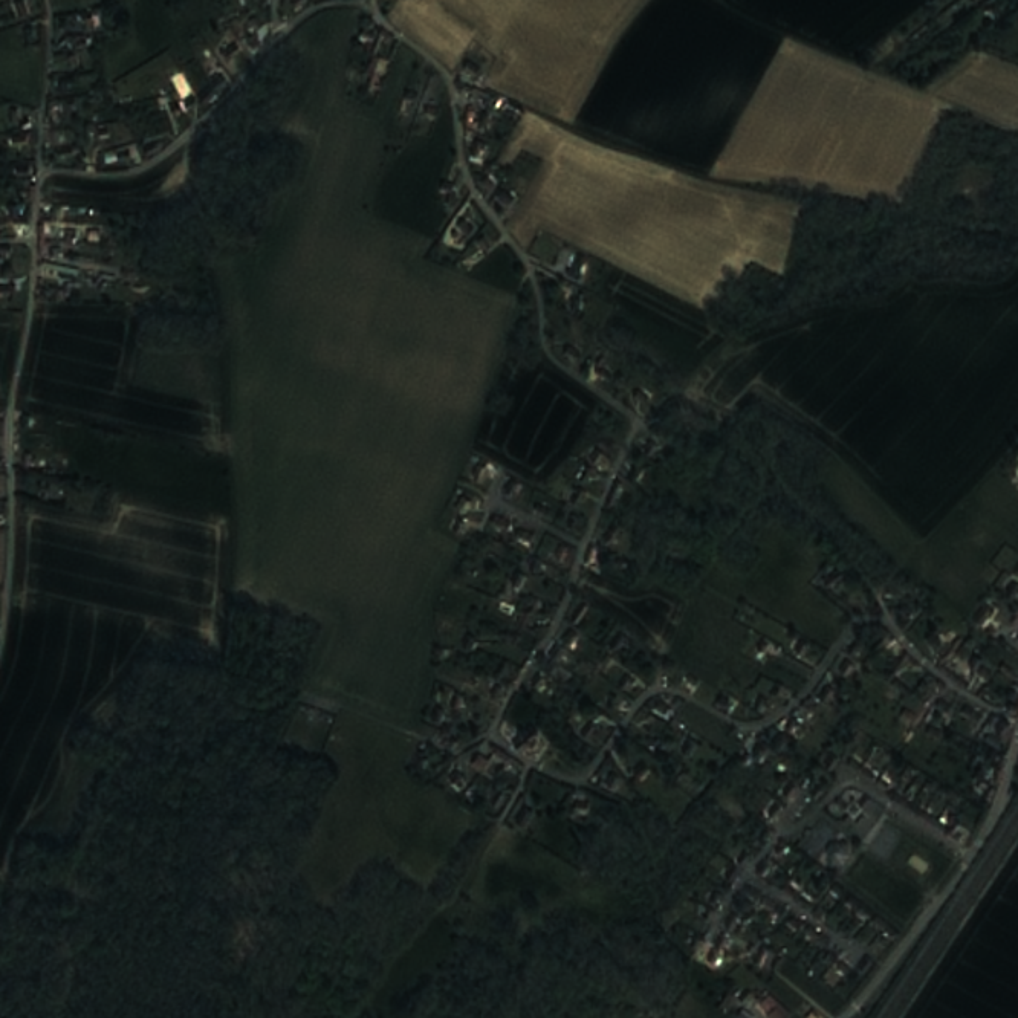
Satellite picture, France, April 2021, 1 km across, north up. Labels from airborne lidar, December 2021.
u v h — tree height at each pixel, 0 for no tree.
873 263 21
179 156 0
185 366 0
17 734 0
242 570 0
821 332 0
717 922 0
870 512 0
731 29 0
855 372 0
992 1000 0
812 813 0
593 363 7
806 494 22
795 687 0
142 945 22
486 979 27
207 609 0
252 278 0
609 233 0
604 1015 23
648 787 0
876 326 0
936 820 0
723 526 29
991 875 0
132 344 0
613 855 27
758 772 6
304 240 0
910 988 0
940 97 0
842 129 0
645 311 0
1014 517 0
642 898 12
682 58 0
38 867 26
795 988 0
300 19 0
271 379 0
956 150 15
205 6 0
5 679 0
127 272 7
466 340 0
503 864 0
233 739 33
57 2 0
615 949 18
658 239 0
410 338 0
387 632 0
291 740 0
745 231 0
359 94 6
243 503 0
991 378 0
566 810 11
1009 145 12
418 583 0
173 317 23
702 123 0
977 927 0
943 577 0
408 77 0
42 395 0
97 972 26
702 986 7
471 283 0
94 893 8
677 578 20
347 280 0
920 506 0
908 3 0
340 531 0
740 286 26
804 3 0
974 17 7
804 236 20
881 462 0
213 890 15
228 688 33
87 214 6
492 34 0
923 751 0
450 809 0
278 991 28
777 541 0
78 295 14
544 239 0
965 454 0
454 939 9
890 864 0
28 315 0
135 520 0
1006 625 0
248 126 16
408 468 0
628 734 13
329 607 0
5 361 0
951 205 9
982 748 7
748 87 0
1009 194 10
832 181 0
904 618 6
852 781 0
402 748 0
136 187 0
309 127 0
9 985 23
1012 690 7
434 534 0
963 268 15
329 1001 9
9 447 0
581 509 0
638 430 0
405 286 0
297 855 22
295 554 0
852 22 0
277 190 17
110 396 0
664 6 0
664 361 0
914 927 0
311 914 26
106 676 0
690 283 0
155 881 25
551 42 0
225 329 18
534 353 22
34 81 0
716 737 0
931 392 0
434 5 0
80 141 7
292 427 0
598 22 0
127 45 0
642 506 7
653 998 19
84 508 0
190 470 0
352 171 0
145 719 31
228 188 27
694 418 18
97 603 0
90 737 20
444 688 10
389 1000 0
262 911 18
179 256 20
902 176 0
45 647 0
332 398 0
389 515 0
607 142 0
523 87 0
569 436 0
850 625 13
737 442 26
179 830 20
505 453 0
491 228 0
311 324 0
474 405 0
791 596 0
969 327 0
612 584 0
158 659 23
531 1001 18
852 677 6
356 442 0
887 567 12
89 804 18
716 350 0
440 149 0
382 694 0
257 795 27
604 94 0
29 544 0
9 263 9
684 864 15
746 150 0
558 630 0
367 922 22
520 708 0
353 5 0
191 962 18
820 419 0
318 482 0
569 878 0
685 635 0
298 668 19
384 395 0
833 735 6
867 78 0
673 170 0
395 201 0
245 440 0
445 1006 16
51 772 0
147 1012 24
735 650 0
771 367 0
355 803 0
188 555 0
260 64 18
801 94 0
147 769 24
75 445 0
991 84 0
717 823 11
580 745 6
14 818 0
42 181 0
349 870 0
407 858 0
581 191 0
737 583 0
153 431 0
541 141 0
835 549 20
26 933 23
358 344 0
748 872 0
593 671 0
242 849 12
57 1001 22
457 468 0
